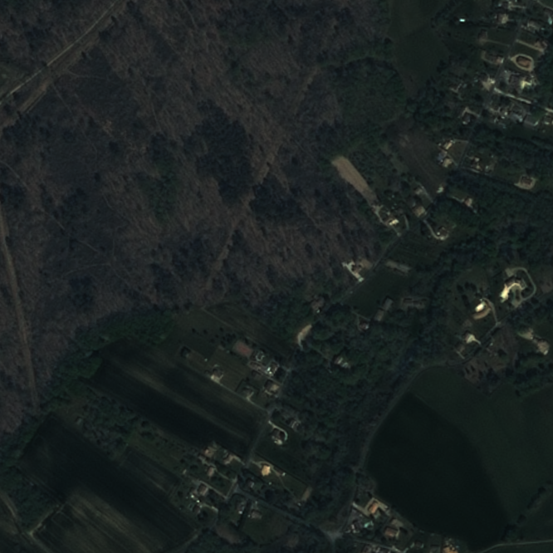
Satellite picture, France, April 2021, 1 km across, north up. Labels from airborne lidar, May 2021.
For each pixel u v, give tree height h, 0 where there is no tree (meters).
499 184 18
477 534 0
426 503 0
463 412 0
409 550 0
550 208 10
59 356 17
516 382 12
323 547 17
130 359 0
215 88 14
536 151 12
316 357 20
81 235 9
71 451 0
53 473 0
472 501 0
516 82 0
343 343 15
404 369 14
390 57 16
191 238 12
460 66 17
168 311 20
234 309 0
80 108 10
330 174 19
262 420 0
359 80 18
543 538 0
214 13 11
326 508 23
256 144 22
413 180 10
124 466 0
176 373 0
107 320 19
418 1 0
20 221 11
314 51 11
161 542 0
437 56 0
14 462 18
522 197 13
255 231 13
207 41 12
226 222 17
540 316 16
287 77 18
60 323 9
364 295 0
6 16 20
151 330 21
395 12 0
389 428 0
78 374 14
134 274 11
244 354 0
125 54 13
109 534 0
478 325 0
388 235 16
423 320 20
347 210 18
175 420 0
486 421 0
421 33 0
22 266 16
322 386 19
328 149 12
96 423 11
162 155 23
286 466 0
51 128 16
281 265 14
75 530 0
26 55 13
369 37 21
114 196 14
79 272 7
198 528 0
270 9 14
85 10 16
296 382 13
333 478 6
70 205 21
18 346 12
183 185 15
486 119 11
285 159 9
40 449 0
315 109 11
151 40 14
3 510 0
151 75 9
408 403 0
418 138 0
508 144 9
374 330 18
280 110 13
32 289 14
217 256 7
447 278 19
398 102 20
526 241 15
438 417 0
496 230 10
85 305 18
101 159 11
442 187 0
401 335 19
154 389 0
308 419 12
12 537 0
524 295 9
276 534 0
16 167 11
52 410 13
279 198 17
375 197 0
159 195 21
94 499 0
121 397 0
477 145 16
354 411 10
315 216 8
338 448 7
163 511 0
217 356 0
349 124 14
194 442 0
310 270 18
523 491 0
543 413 0
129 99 9
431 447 0
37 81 6
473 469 0
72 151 7
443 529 0
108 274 9
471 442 0
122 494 0
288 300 22
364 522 0
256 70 20
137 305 12
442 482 0
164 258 12
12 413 18
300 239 10
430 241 12
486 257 15
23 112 0
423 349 19
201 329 0
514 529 12
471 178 18
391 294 0
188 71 9
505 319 0
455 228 0
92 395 8
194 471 9
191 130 7
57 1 8
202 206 15
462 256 18
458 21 9
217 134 22
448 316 22
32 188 13
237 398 0
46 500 15
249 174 25
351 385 11
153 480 0
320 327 15
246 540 6
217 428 0
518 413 0
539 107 12
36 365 16
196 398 0
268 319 23
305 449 16
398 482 0
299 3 12
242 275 15
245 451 0
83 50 0
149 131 8
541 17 5
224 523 15
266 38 21
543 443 0
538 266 23
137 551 0
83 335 17
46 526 0
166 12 11
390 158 6
